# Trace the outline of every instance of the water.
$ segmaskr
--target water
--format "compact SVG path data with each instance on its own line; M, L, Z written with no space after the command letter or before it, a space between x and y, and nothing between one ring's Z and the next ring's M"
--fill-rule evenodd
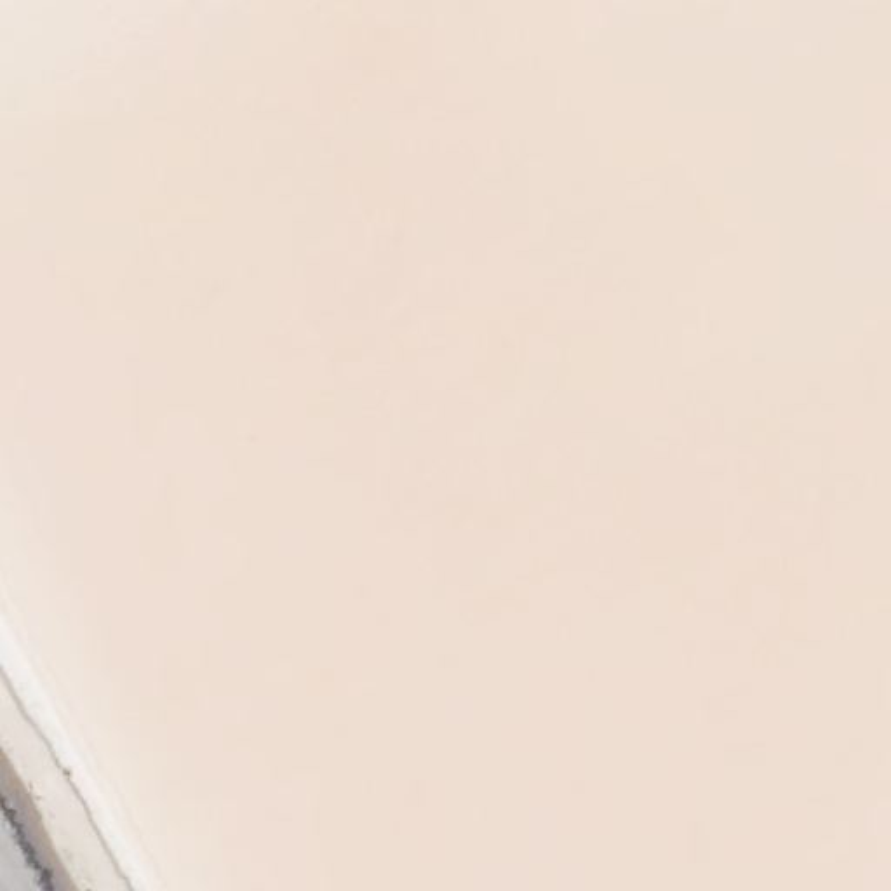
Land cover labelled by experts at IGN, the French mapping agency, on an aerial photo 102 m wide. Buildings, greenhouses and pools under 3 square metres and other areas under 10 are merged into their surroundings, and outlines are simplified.
M42 891L77 891L77 884L70 881L66 867L52 849L31 790L21 783L10 759L0 748L0 814L10 825L14 842L24 853L24 863L35 870Z
M139 891L891 891L891 0L0 0L0 661L21 689L28 710L56 741L63 762L73 769L115 856L122 860Z

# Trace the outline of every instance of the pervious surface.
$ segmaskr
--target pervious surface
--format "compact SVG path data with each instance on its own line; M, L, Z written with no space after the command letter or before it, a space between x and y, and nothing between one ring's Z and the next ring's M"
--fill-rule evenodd
M0 748L10 759L21 783L31 790L52 849L66 867L70 881L77 884L77 891L139 891L122 860L115 856L73 769L63 762L56 741L28 710L21 689L0 661Z
M35 870L24 863L24 853L14 842L10 825L0 814L0 891L42 891Z

